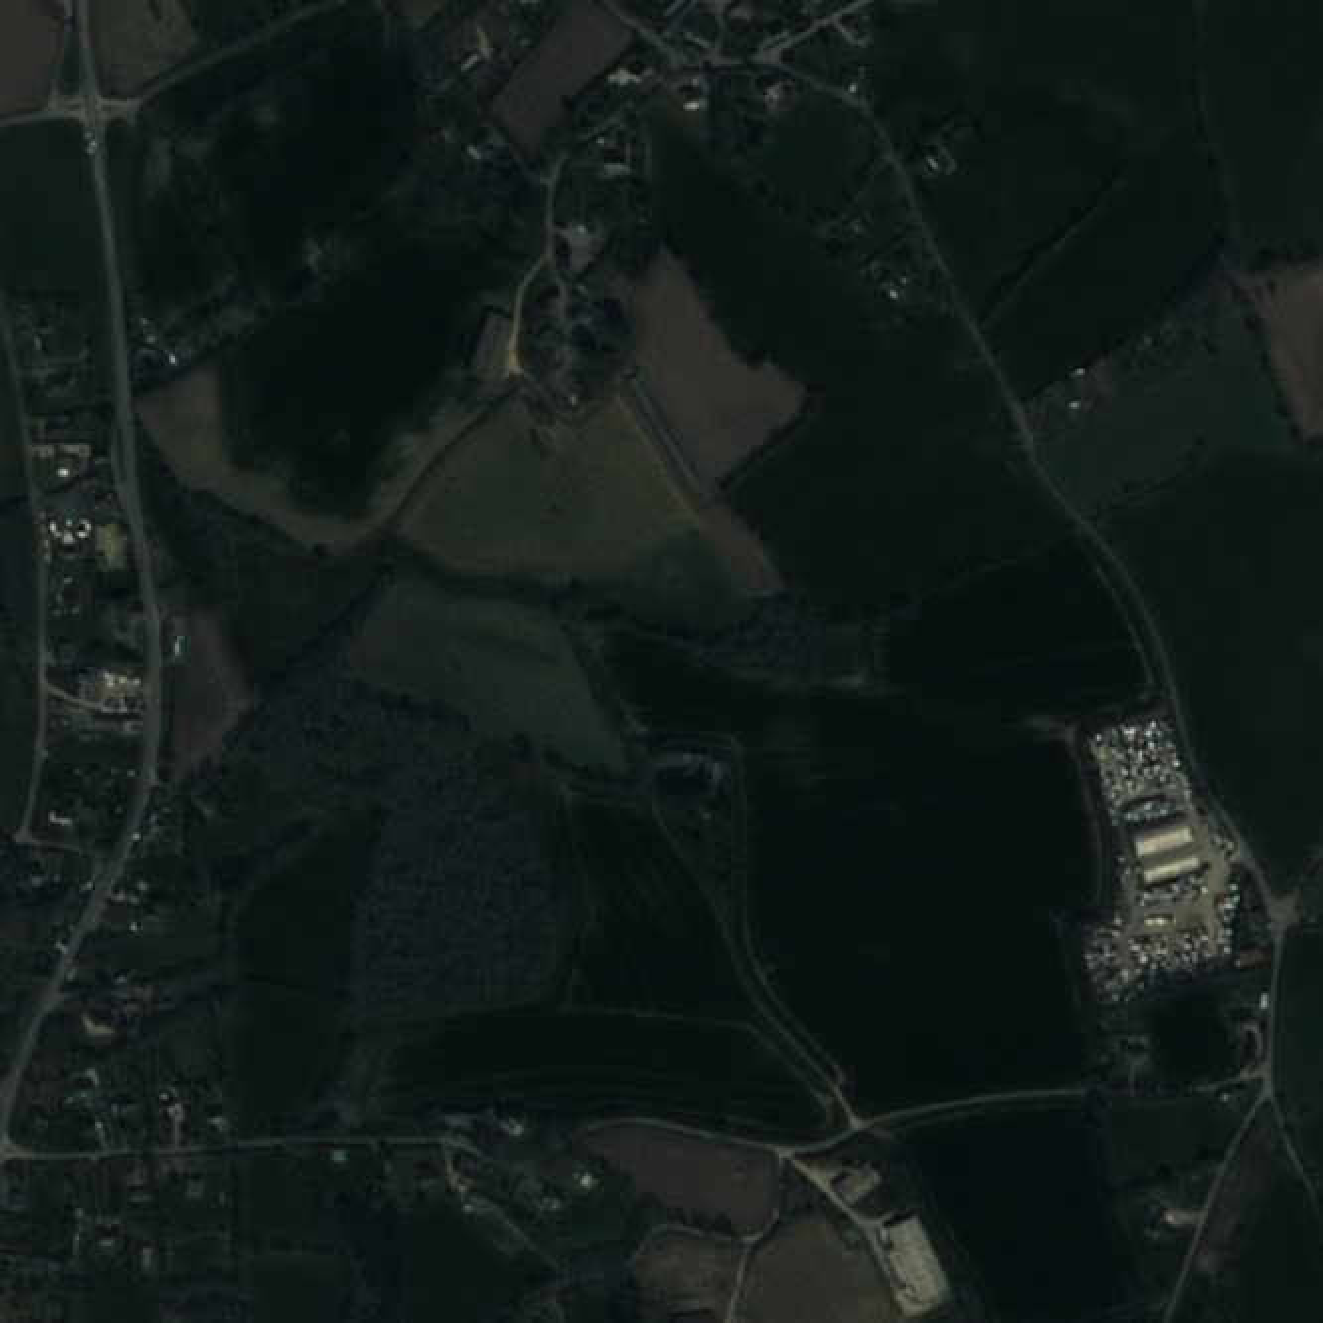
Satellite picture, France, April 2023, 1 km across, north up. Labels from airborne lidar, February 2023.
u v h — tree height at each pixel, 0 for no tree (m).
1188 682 0
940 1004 0
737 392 0
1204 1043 0
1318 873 12
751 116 7
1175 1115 0
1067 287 0
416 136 0
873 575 0
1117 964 0
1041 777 0
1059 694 0
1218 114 0
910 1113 0
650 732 0
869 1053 0
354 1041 12
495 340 0
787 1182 10
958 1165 0
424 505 0
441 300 0
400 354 0
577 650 10
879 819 0
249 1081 0
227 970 11
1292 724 0
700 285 15
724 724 0
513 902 11
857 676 0
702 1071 0
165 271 0
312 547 0
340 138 0
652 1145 0
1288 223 0
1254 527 0
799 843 0
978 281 0
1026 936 0
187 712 0
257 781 0
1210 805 13
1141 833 0
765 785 0
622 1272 17
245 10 0
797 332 0
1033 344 0
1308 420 0
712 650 12
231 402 0
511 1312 7
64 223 0
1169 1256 0
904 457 0
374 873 16
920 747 0
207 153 0
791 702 0
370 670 0
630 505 0
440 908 11
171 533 0
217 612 14
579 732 0
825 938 0
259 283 0
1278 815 0
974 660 0
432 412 0
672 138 0
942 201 0
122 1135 11
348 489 0
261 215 0
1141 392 0
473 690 0
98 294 0
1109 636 0
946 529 0
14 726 0
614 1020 0
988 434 0
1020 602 0
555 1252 14
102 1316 0
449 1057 0
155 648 0
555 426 0
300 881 0
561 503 0
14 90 0
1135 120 0
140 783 0
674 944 0
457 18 15
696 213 0
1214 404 0
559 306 0
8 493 0
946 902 0
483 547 0
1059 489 0
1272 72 0
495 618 0
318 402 0
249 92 14
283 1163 9
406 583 0
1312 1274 0
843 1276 0
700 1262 0
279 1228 0
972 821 0
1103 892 0
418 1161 0
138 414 0
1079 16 0
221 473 0
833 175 0
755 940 0
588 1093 0
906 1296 0
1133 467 0
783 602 9
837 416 0
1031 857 0
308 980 0
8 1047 6
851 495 0
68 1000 0
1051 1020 0
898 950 0
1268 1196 0
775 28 8
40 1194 0
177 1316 16
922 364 0
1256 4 0
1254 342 11
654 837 0
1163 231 0
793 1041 0
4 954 18
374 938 11
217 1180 0
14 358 0
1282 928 0
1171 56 0
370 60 0
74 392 0
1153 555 0
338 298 0
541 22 8
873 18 0
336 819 17
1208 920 0
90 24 0
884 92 0
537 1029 0
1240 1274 0
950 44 0
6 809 0
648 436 0
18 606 11
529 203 0
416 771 15
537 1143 11
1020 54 0
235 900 16
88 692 0
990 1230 0
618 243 7
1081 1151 0
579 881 0
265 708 14
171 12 0
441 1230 0
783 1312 0
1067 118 0
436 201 12
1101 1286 0
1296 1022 0
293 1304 0
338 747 28
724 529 0
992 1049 0
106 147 0
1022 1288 0
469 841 7
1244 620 0
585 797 0
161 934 0
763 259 0
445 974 10
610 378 0
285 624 0
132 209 0
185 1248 0
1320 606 0
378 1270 21
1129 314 0
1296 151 0
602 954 0
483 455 0
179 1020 9
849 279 10
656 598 0
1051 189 0
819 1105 0
